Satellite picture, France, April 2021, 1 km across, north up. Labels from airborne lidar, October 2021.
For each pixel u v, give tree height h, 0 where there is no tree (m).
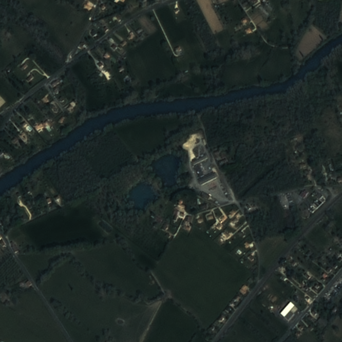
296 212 17
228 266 0
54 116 13
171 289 0
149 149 0
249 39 0
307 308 0
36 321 0
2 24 8
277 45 8
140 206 0
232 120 13
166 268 0
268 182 12
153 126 0
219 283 0
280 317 0
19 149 9
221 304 0
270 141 7
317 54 0
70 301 0
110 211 25
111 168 8
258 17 0
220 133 6
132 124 0
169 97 16
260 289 0
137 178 24
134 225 12
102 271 0
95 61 0
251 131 5
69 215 0
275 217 14
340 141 0
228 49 0
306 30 16
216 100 0
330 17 16
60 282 0
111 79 6
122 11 8
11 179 0
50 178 9
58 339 0
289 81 0
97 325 0
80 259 0
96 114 18
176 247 0
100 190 21
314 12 11
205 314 0
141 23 0
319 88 20
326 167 7
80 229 0
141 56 0
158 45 0
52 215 0
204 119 6
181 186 13
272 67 0
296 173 14
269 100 22
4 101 0
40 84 0
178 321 0
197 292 0
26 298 0
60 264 27
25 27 23
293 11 0
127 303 0
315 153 21
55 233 0
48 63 0
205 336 9
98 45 12
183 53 6
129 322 0
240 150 11
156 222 7
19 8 16
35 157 0
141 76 0
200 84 0
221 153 12
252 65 0
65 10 0
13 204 14
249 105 16
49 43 16
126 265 0
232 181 10
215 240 0
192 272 0
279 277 6
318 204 0
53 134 0
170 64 0
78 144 13
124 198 26
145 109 0
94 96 0
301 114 22
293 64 11
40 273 0
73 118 8
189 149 0
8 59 0
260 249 0
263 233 13
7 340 0
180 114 11
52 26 0
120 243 23
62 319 0
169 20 0
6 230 15
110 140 9
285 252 0
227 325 0
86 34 0
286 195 0
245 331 0
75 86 13
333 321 18
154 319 0
